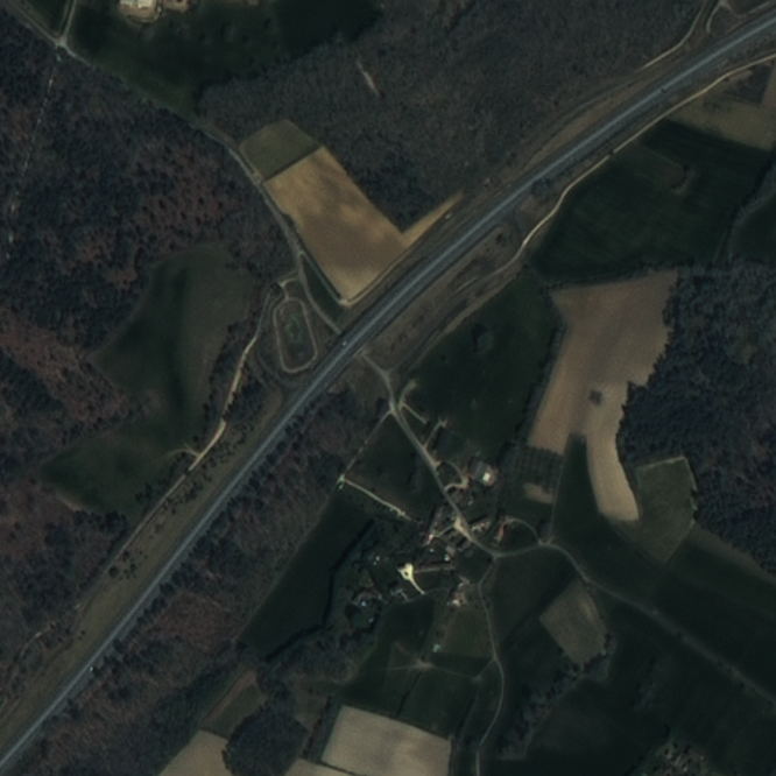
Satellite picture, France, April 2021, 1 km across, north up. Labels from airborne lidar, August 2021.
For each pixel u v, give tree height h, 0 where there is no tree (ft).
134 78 0
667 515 0
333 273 0
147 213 38
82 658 0
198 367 0
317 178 0
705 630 0
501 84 20
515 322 0
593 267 0
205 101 57
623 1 63
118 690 47
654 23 52
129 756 61
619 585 0
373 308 0
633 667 0
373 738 0
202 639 28
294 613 0
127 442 0
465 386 0
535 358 0
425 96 35
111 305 32
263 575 81
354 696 0
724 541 38
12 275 71
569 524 0
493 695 0
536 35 47
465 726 24
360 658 61
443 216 0
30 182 44
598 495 0
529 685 0
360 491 0
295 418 0
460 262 0
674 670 0
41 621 77
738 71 0
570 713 0
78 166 45
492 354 0
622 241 0
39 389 62
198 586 76
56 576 53
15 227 54
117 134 50
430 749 0
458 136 32
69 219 32
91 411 34
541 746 0
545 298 24
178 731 52
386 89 29
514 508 0
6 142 38
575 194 0
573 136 0
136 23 0
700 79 0
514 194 0
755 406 38
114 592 0
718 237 0
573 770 0
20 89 34
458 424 0
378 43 40
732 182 0
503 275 0
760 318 41
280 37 0
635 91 0
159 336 0
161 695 54
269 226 23
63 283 31
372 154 53
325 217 0
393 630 0
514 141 26
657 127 0
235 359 54
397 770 0
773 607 0
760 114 0
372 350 0
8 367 48
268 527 68
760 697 0
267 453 0
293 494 55
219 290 0
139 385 0
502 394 0
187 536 0
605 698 0
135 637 39
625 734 0
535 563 0
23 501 0
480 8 52
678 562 0
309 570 0
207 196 25
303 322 0
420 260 0
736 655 0
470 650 0
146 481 0
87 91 57
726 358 50
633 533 0
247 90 61
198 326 0
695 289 37
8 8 0
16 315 58
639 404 45
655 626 0
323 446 51
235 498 0
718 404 39
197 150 33
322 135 33
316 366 0
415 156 39
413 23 40
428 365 0
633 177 0
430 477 0
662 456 22
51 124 55
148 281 27
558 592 0
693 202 0
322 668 63
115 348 0
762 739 0
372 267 0
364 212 0
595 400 42
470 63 27
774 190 44
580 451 0
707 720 0
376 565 0
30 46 39
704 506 29
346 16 0
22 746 0
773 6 0
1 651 43
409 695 20
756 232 0
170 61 0
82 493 0
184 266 0
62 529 33
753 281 45
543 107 22
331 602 31
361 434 71
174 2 0
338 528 0
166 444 0
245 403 43
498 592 0
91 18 0
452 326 0
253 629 0
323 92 59
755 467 38
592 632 0
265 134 0
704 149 0
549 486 22
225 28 34
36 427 39
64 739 44
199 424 0
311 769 0
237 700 0
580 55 37
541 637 0
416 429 0
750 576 0
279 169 0
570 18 37
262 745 73
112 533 73
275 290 47
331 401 54
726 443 56
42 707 0
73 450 0
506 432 0
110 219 43
